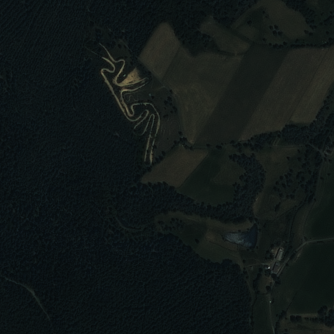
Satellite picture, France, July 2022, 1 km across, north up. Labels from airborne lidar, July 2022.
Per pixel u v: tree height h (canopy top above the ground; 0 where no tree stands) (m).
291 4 15
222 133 0
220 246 0
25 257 9
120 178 22
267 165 0
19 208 6
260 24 0
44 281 22
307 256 0
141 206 17
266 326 0
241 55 0
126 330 18
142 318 21
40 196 31
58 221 32
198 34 17
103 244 26
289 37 0
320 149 9
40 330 25
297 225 0
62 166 25
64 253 18
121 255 32
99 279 22
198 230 0
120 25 20
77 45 19
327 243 0
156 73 0
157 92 0
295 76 0
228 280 17
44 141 16
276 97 0
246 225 0
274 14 0
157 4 15
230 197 0
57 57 19
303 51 0
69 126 20
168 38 0
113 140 19
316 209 0
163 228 15
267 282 0
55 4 13
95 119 19
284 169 0
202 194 0
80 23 22
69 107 19
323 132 13
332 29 0
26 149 25
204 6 15
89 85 22
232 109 0
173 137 0
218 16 15
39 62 18
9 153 28
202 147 0
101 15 18
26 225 23
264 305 0
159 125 0
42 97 21
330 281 0
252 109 0
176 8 10
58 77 22
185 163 0
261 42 0
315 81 0
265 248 0
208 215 22
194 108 0
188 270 14
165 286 23
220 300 21
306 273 0
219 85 0
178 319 21
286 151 0
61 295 24
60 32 18
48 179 28
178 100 0
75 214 27
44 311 10
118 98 0
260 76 0
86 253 18
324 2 0
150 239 10
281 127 0
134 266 14
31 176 22
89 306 17
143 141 9
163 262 18
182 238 0
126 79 0
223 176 0
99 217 12
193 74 0
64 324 21
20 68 19
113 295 18
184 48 0
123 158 20
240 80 0
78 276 20
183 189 0
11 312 9
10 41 22
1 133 26
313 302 0
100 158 23
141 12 19
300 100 0
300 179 11
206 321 20
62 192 26
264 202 0
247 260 0
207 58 0
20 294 21
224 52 0
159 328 23
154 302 19
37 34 21
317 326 0
